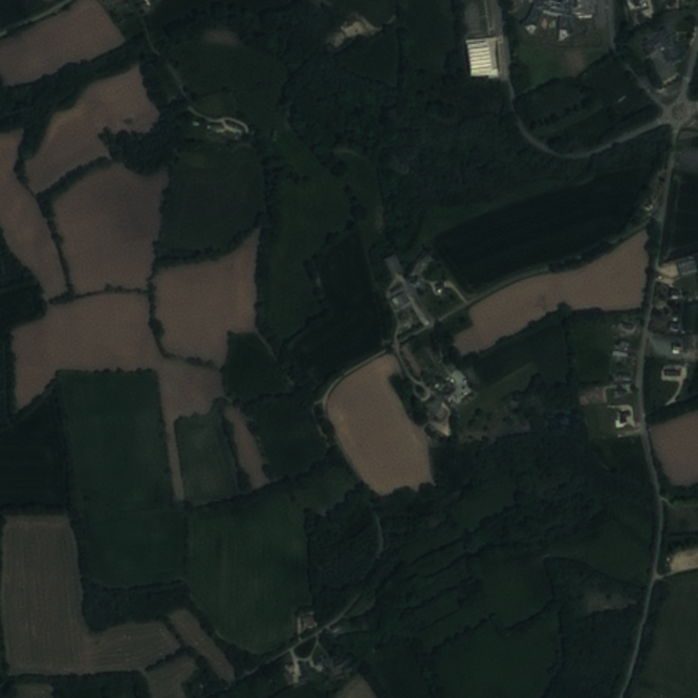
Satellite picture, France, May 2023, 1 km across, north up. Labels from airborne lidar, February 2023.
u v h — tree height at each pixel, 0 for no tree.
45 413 0
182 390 0
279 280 0
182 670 0
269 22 20
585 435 11
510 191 0
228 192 0
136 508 0
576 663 12
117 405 0
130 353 0
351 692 0
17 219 0
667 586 8
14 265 9
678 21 0
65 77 19
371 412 0
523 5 0
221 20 15
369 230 0
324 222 0
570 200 0
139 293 8
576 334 0
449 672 0
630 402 0
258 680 13
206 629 15
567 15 0
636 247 0
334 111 20
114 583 0
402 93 18
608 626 10
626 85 0
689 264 0
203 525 0
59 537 0
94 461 0
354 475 9
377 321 0
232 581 0
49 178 0
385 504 8
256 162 0
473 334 0
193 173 0
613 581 6
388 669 0
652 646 9
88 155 0
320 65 22
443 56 0
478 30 0
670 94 0
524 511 16
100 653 0
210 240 0
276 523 0
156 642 0
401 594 9
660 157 16
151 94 18
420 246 0
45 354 0
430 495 16
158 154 16
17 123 19
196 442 0
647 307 12
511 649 0
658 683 0
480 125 8
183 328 0
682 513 0
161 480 0
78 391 0
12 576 0
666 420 10
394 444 0
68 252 0
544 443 12
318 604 12
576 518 10
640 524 0
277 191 19
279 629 0
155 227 0
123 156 17
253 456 0
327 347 0
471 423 7
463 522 0
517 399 16
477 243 0
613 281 0
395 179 9
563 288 0
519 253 0
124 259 0
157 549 0
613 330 0
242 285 0
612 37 0
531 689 0
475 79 11
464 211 0
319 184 0
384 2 0
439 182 17
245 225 0
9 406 12
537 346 0
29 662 0
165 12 0
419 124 10
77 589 0
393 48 0
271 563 0
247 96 0
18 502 0
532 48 0
